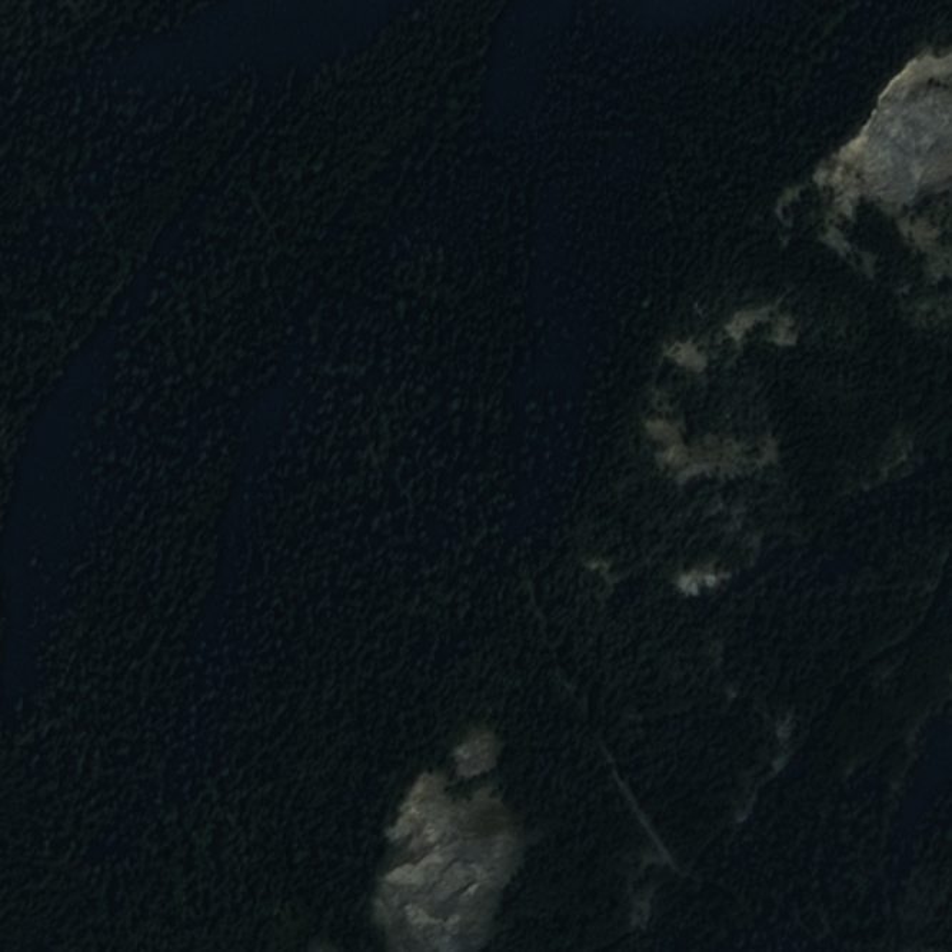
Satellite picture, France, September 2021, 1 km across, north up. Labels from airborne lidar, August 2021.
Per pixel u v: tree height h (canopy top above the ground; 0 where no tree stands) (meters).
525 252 7
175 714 15
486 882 0
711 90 15
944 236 8
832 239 0
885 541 20
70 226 10
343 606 26
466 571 7
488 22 17
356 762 22
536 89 16
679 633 16
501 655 24
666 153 18
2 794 7
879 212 10
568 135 22
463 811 0
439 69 33
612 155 9
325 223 26
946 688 11
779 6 11
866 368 15
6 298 23
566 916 13
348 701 14
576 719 19
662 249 22
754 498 9
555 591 28
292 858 27
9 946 6
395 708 12
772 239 13
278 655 8
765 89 16
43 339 25
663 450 8
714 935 18
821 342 10
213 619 10
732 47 17
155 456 6
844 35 8
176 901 9
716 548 23
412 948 0
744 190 12
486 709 13
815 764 14
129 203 21
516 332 20
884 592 20
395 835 0
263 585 22
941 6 18
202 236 29
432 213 17
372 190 25
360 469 15
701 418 19
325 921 18
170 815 20
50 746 20
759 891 20
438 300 13
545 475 29
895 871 7
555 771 30
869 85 13
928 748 7
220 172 25
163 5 21
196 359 10
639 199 17
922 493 11
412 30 11
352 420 17
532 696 23
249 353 16
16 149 21
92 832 23
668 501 22
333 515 13
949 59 0
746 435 14
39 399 23
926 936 7
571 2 16
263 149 19
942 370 21
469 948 0
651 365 17
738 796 10
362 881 22
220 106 25
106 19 28
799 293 13
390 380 20
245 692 26
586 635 30
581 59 23
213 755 24
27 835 7
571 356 15
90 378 12
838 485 14
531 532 21
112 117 20
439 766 11
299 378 19
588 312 14
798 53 19
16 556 15
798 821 16
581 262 23
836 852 13
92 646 20
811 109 14
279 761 27
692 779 29
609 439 14
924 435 12
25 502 8
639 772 29
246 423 26
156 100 16
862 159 0
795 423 20
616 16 27
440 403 7
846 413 20
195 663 25
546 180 12
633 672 20
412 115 24
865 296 17
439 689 27
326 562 24
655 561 14
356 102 22
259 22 12
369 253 18
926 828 18
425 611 28
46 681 18
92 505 29
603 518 20
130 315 13
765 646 27
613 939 10
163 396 28
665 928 9
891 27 13
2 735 7
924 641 15
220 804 21
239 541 24
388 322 15
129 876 10
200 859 12
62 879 8
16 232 22
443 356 26
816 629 32
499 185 21
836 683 23
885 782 11
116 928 22
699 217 23
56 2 24
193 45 20
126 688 20
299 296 20
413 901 0
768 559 10
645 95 22
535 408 21
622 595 11
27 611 25
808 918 12
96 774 25
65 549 26
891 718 12
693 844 13
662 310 22
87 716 17
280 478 30
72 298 19
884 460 11
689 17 0
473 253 19
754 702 10
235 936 21
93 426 30
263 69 12
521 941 8
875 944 9
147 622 24
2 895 8
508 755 13
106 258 21
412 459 31
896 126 0
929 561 19
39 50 27
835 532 16
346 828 8
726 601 22
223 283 26
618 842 11
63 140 32
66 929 8
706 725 20
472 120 16
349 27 17
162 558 7
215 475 20
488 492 12
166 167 23
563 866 11
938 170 0
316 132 21
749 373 19
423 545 18
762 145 11
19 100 22
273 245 16
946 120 0
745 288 16
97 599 20
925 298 11
